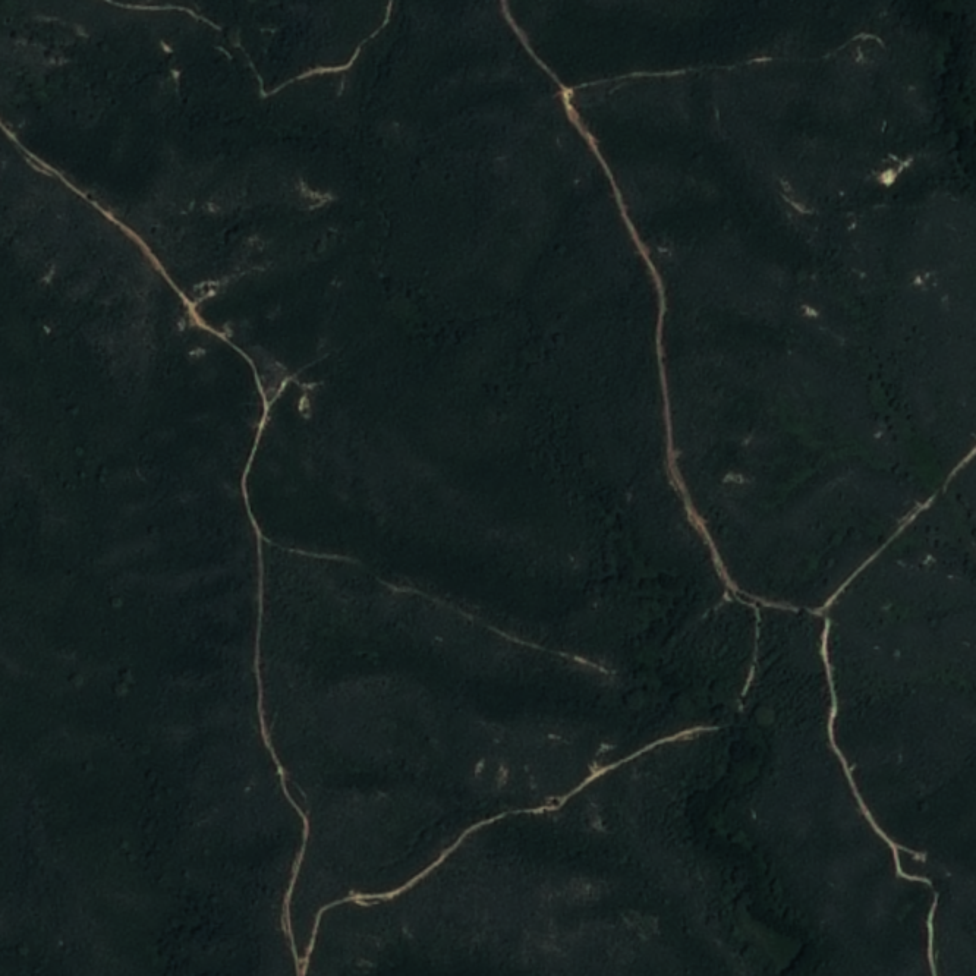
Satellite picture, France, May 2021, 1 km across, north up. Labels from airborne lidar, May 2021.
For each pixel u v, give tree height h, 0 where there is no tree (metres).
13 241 6
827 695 6
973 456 0
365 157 6
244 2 7
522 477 7
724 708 17
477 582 6
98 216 0
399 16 9
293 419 5
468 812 8
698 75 5
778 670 8
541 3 6
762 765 6
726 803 11
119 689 14
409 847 8
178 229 6
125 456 6
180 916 6
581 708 7
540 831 6
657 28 9
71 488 6
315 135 6
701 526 0
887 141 7
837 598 0
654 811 6
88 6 0
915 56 5
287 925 0
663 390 0
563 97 0
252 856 6
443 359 6
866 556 0
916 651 0
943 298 0
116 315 5
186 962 12
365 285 6
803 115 6
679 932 7
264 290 5
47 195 0
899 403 8
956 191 7
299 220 6
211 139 6
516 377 6
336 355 6
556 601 6
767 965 6
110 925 5
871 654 0
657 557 7
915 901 5
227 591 6
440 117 6
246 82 6
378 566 7
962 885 0
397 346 6
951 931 0
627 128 6
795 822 0
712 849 18
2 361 6
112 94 8
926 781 6
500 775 0
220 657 6
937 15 22
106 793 5
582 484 8
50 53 10
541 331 6
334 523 6
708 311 5
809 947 16
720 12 6
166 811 7
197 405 7
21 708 6
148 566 5
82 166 6
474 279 6
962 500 10
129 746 6
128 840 5
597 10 6
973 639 0
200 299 0
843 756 0
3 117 0
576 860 7
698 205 6
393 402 6
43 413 5
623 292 6
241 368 5
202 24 6
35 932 6
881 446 0
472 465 6
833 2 6
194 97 6
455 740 6
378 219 6
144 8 0
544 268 5
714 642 6
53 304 6
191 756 7
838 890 0
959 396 0
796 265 8
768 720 11
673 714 8
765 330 7
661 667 11
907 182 6
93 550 6
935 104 7
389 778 6
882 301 8
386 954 6
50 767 6
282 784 0
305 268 6
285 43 7
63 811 6
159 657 6
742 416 8
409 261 5
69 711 6
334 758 6
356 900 0
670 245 6
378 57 7
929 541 6
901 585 0
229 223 9
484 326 7
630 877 6
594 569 6
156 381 6
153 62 7
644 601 12
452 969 6
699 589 8
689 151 7
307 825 0
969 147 20
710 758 8
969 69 9
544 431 7
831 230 8
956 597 0
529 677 5
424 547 7
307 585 6
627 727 7
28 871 5
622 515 12
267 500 6
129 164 7
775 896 8
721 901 9
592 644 6
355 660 5
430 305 7
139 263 0
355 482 6
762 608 8
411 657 7
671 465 0
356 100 8
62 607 5
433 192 6
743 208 8
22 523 5
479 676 6
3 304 6
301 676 6
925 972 0
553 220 7
